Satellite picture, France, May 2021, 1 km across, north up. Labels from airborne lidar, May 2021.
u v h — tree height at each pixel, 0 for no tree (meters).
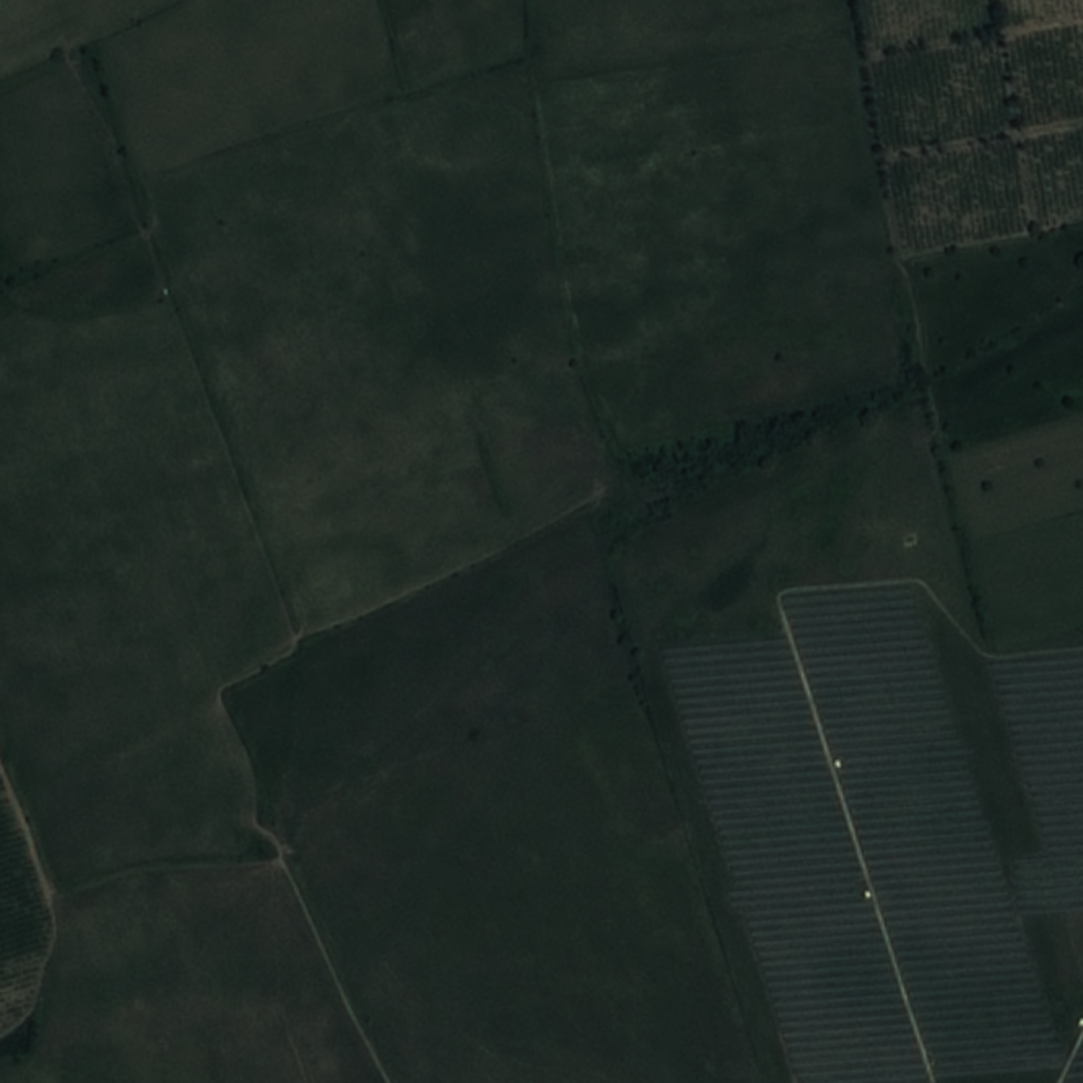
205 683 0
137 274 0
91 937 0
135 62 0
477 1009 0
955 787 0
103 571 0
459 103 0
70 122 0
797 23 0
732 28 0
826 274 0
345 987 0
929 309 0
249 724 0
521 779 0
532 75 0
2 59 0
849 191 0
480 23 0
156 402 0
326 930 0
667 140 0
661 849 0
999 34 17
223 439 0
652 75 0
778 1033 0
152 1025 0
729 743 0
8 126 0
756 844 0
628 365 0
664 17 0
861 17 18
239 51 0
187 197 0
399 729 0
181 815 0
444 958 0
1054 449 0
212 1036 0
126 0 0
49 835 0
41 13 0
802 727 0
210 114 0
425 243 0
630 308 0
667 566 0
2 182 0
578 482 0
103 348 0
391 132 0
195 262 0
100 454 0
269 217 0
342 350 0
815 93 0
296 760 0
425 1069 0
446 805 0
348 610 0
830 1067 0
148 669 0
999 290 0
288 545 0
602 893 0
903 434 0
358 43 0
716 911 0
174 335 0
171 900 0
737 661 0
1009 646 0
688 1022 0
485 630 0
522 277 0
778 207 0
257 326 0
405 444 0
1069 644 0
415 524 0
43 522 0
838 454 0
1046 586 0
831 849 0
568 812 0
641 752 0
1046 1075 0
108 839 0
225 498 0
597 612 0
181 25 0
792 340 0
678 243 0
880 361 0
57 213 0
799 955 0
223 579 0
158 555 0
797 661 0
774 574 0
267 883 0
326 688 0
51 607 0
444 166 0
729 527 0
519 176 0
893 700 0
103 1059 0
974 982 0
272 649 0
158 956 0
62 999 0
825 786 0
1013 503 0
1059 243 0
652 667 0
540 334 0
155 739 0
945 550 0
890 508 0
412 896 0
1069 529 0
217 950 0
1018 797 0
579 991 0
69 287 0
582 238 0
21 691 0
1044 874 0
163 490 0
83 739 0
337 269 0
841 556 0
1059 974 0
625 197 0
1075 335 0
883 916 0
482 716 0
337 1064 0
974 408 0
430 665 0
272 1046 0
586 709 0
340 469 0
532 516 0
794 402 0
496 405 0
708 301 0
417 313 0
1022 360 0
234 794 0
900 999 0
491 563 0
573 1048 0
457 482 0
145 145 0
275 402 0
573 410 0
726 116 0
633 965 0
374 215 0
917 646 0
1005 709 0
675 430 0
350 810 0
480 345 0
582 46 0
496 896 0
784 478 0
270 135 0
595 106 0
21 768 0
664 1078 0
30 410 0
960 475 0
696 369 0
